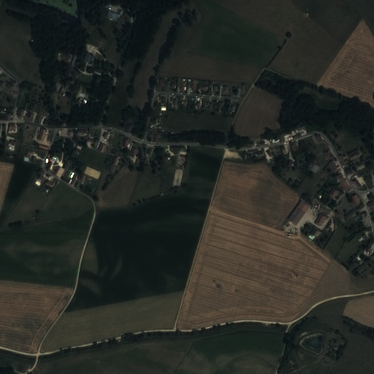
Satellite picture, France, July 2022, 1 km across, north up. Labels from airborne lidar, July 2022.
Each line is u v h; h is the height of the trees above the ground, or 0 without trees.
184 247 0
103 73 7
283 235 0
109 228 0
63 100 0
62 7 0
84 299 0
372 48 0
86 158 0
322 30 0
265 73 5
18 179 0
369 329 11
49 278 0
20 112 0
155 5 19
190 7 0
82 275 0
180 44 0
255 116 0
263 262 0
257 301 0
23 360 0
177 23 23
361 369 0
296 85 21
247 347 0
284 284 0
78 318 0
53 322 0
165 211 0
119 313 0
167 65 0
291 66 0
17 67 0
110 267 0
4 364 0
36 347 0
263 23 0
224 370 0
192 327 0
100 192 0
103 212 0
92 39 0
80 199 0
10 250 0
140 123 10
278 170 10
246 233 0
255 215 0
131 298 0
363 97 0
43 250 0
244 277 0
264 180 0
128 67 0
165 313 0
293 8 0
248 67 0
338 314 0
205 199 0
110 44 0
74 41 23
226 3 0
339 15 0
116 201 0
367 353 0
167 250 0
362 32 0
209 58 0
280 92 11
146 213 0
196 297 0
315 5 0
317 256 0
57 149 11
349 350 0
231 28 0
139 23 22
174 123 0
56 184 0
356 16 0
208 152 0
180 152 0
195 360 0
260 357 0
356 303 0
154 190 0
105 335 0
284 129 6
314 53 0
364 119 17
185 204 0
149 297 0
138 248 0
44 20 18
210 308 0
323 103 0
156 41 0
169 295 0
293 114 23
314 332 0
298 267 0
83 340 0
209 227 0
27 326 0
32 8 17
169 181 0
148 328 0
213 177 0
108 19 0
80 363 0
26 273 0
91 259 0
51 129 0
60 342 0
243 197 0
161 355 0
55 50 28
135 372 0
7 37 0
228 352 0
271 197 0
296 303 0
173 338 0
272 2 0
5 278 0
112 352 0
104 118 13
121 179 0
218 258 0
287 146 0
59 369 0
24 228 0
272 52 0
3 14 0
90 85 7
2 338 0
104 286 0
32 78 0
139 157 7
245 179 0
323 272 0
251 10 0
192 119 0
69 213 0
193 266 0
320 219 0
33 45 19
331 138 7
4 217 0
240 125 0
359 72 0
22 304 0
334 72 0
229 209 0
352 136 0
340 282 0
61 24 24
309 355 0
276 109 0
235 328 0
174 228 0
